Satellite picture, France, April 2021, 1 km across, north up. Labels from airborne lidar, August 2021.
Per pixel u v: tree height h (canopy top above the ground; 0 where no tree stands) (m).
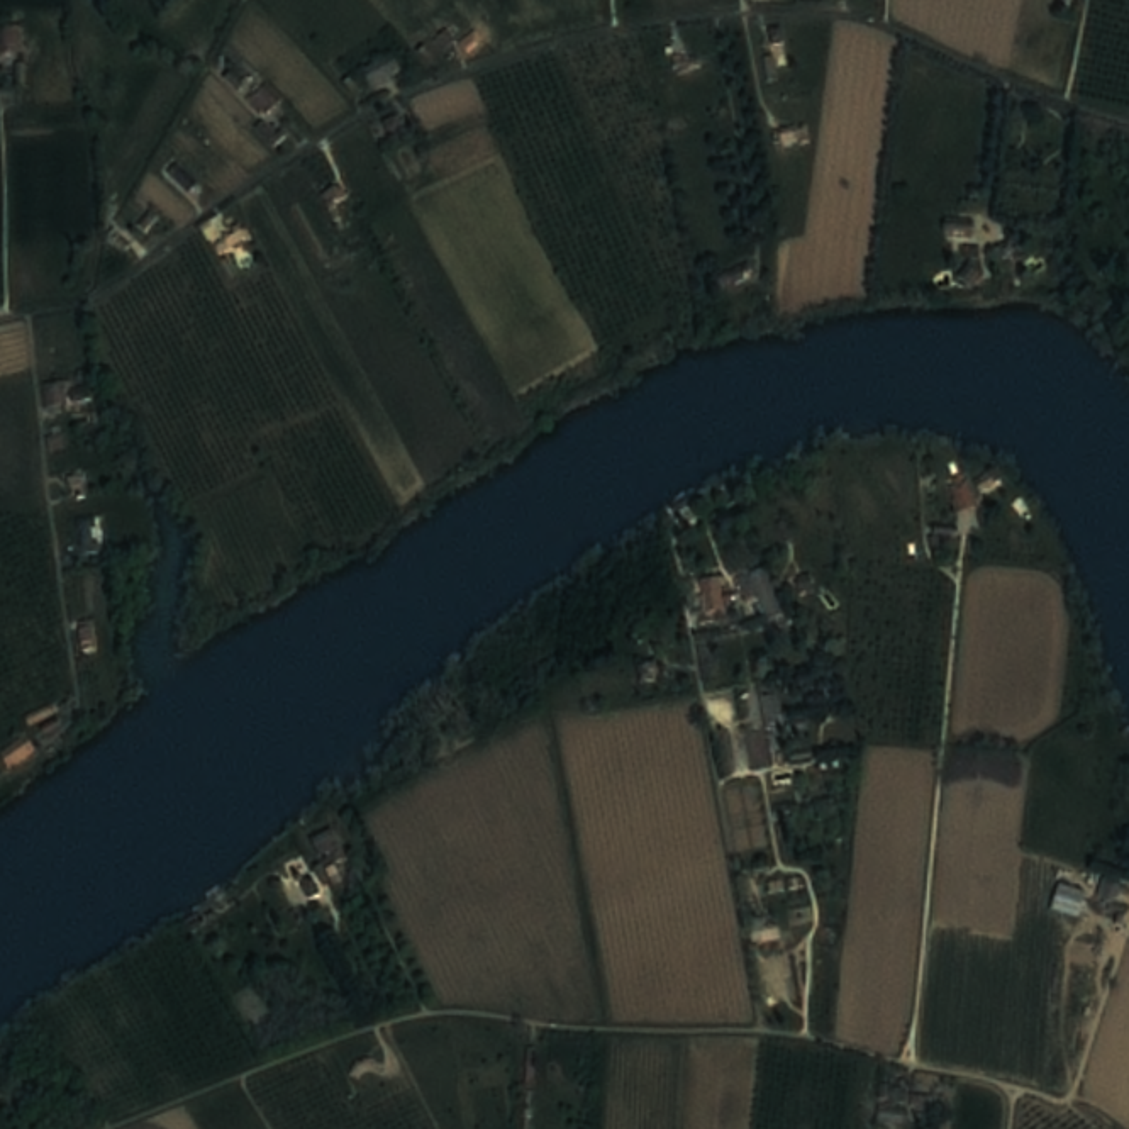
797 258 0
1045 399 0
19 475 0
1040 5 0
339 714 0
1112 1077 0
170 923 9
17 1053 26
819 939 0
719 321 7
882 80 0
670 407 0
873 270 10
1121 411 0
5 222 0
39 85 0
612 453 0
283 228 0
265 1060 13
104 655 0
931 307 18
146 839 0
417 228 0
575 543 0
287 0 0
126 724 0
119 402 7
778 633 16
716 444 0
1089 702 11
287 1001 20
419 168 0
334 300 0
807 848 12
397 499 0
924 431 7
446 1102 0
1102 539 0
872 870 0
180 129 0
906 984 0
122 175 0
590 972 0
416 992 13
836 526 10
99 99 0
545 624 18
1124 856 10
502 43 0
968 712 0
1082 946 0
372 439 0
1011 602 0
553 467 0
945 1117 8
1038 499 7
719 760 10
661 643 7
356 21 0
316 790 8
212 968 10
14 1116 8
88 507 0
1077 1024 0
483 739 0
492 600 0
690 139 0
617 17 0
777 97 0
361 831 8
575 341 0
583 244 6
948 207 0
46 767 8
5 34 0
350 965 11
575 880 0
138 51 13
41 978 0
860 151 0
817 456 16
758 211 13
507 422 0
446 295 0
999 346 0
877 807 0
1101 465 0
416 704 32
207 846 0
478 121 0
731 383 0
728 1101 0
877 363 0
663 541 14
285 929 21
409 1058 0
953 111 0
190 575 17
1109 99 5
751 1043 0
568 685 0
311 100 0
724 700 0
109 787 0
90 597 0
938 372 0
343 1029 14
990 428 0
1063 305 9
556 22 0
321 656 0
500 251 0
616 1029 0
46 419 0
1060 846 0
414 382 0
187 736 0
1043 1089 0
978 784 0
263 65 0
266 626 0
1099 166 8
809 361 0
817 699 13
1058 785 0
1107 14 6
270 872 0
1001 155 15
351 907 11
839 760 8
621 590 15
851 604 0
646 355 9
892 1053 0
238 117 8
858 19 0
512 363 0
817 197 0
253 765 0
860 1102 0
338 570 13
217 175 0
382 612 0
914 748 0
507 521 0
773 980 0
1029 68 0
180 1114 0
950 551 7
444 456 0
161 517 0
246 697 0
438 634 0
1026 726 0
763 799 7
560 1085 0
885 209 8
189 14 0
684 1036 0
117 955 6
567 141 6
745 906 13
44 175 0
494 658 13
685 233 10
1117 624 0
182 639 19
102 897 0
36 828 0
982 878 0
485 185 0
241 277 0
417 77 9
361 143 0
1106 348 18
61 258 0
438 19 0
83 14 0
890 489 0
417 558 0
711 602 0
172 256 0
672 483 0
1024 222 13
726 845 0
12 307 0
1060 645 0
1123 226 7
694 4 0
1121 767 10
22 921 0
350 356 0
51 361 0
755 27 0
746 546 8
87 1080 15
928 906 0
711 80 0
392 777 15
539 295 0
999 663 0
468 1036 0
